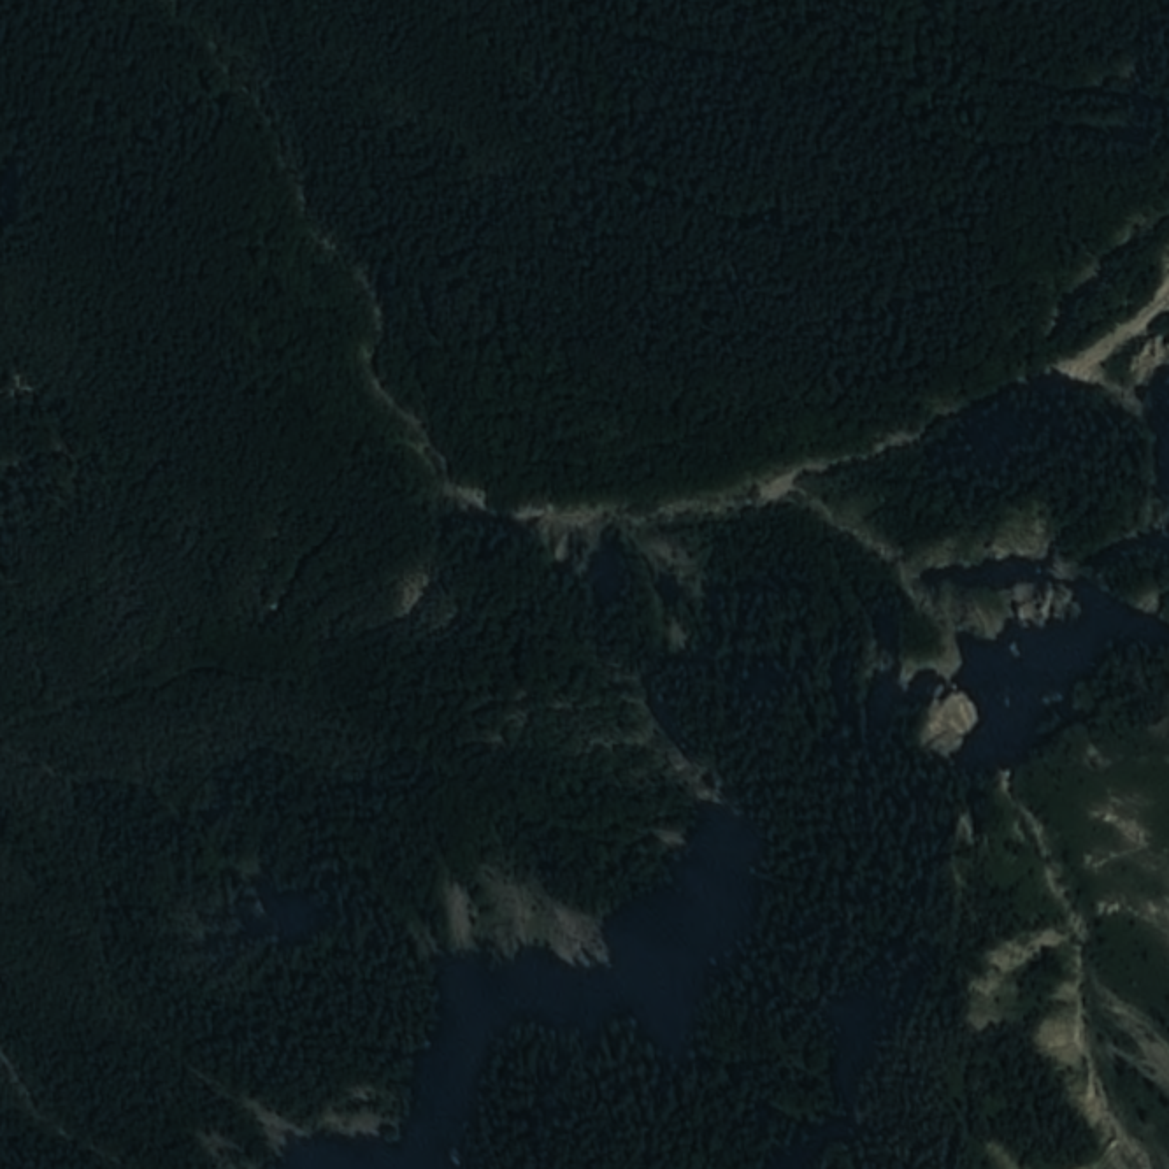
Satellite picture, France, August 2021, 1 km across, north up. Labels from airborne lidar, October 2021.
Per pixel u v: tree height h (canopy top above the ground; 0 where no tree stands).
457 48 28
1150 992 0
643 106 27
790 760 17
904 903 16
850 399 15
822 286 30
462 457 10
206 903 9
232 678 16
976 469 19
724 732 12
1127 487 13
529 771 22
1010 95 26
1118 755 0
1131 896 0
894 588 11
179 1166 16
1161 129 13
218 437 19
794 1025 12
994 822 17
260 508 14
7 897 14
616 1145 15
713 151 29
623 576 16
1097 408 14
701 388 22
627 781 9
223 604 13
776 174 30
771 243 26
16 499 28
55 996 9
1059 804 0
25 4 30
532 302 26
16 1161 25
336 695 21
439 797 22
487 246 30
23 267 18
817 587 14
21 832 19
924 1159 18
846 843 20
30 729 8
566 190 29
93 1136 17
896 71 26
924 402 14
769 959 17
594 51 22
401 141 22
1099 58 15
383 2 25
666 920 6
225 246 29
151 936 16
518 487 7
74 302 18
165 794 12
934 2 13
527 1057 15
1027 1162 6
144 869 17
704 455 12
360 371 8
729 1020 14
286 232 25
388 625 15
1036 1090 18
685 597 17
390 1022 20
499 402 10
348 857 20
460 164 18
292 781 18
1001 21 29
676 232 27
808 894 19
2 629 13
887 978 20
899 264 18
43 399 16
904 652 9
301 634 22
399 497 17
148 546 17
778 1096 18
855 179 25
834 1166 6
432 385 16
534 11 28
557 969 0
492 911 7
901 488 11
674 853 12
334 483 19
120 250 31
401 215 29
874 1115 12
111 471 24
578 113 25
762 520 13
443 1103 0
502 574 20
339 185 21
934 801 28
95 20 29
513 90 27
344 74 14
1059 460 32
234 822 10
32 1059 13
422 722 27
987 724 0
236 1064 13
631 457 9
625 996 0
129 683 17
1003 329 16
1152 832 0
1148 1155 0
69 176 29
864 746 16
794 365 22
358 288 11
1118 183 10
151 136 35
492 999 7
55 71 28
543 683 15
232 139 35
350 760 9
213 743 8
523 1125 20
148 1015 14
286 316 17
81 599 13
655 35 20
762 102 27
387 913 28
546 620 26
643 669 15
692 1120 20
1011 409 24
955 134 30
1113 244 10
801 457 9
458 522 15
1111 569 9
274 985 27
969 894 6
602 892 10
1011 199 25
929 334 7
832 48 21
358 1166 0
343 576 17
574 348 28
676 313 24
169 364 22
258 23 22
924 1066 18
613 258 27
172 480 18
